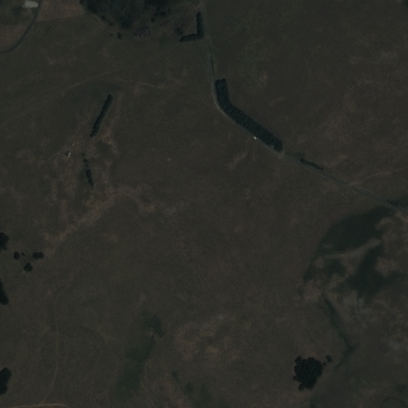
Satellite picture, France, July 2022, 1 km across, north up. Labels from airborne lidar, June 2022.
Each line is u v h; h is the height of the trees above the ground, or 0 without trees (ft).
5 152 0
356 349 0
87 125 0
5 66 0
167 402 0
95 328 0
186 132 0
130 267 0
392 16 0
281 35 0
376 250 0
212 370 0
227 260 0
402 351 0
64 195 0
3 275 0
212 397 0
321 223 0
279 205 0
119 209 0
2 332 0
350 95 0
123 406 0
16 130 0
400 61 0
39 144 0
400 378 0
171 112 0
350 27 0
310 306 0
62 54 0
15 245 0
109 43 0
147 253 0
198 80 0
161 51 0
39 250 0
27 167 0
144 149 0
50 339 0
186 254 0
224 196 0
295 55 0
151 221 0
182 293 0
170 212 0
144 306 0
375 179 0
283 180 0
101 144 0
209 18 0
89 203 0
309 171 0
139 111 0
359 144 0
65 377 0
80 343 0
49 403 0
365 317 0
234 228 0
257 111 0
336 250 0
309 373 44
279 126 0
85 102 0
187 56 0
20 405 0
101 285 0
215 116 0
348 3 0
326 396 0
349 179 0
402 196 0
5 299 41
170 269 0
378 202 0
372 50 0
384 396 0
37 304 0
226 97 53
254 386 0
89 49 0
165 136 0
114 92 0
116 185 0
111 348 0
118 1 0
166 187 0
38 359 0
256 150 0
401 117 0
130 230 0
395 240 0
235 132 0
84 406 0
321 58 0
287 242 0
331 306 0
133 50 0
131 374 0
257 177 0
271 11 0
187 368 0
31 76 0
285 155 0
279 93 0
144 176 0
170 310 0
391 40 0
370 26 0
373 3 0
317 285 0
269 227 0
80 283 0
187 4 0
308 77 0
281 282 0
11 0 0
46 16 0
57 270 0
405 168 0
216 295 0
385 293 0
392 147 0
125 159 0
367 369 0
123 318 0
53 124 0
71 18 0
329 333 0
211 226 0
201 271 0
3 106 0
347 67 0
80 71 0
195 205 0
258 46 0
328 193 0
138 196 0
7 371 38
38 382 0
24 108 0
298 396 0
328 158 0
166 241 0
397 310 0
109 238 0
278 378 0
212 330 0
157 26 0
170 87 0
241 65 0
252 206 0
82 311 0
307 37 0
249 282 0
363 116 0
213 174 0
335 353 0
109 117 0
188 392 0
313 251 0
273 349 0
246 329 0
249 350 0
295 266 0
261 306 0
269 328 0
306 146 0
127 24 24
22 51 0
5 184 0
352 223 0
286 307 0
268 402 0
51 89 0
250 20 0
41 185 0
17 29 0
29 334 0
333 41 0
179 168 0
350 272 0
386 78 0
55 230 0
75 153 0
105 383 0
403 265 0
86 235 0
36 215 0
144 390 0
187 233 0
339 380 0
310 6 0
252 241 0
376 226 0
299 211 0
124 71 0
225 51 0
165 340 0
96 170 0
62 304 0
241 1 0
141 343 0
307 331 0
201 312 0
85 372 0
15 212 0
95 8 0
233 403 0
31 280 0
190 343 0
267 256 0
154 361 0
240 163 0
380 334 0
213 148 0
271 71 0
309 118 0
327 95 0
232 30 0
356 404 0
